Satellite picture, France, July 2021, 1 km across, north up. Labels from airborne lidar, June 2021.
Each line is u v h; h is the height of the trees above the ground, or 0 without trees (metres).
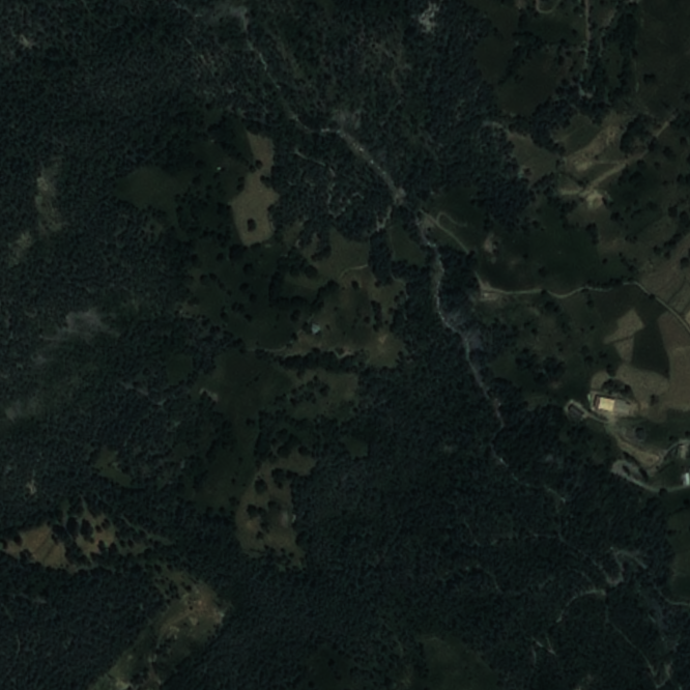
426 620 7
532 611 6
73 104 11
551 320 0
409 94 22
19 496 6
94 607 14
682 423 0
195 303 8
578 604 9
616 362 0
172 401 9
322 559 10
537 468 17
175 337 17
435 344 12
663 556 17
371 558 16
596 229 14
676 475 0
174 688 13
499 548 8
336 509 15
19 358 7
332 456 13
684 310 0
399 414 20
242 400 0
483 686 0
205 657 8
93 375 6
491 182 12
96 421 14
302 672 13
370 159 8
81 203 13
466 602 12
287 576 10
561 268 0
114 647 15
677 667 8
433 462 10
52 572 17
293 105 7
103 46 15
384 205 9
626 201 0
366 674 15
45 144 11
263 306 0
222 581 15
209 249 0
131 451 10
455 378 12
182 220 16
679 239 13
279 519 0
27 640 10
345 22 12
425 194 18
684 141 11
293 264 11
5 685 12
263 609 14
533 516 12
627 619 10
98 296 12
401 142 13
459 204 0
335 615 25
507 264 0
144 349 12
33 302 9
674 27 0
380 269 25
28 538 0
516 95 0
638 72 0
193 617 0
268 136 13
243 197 0
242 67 17
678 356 0
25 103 16
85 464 13
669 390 0
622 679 11
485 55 0
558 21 0
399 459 6
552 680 8
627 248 0
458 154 10
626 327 0
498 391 15
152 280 8
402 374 19
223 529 28
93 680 16
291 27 6
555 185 22
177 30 12
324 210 12
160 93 7
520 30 8
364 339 0
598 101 12
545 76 0
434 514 15
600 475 16
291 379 0
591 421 0
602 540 10
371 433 10
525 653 7
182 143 11
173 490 15
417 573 9
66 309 7
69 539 31
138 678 12
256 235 0
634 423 0
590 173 0
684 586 0
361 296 0
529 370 17
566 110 14
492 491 18
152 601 7
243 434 0
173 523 14
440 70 13
